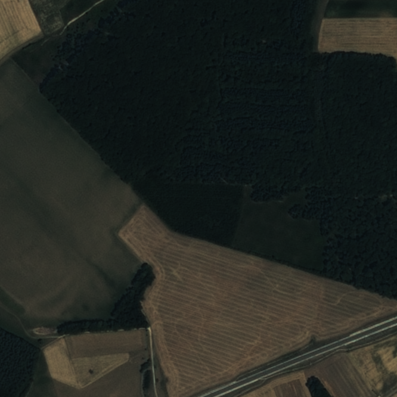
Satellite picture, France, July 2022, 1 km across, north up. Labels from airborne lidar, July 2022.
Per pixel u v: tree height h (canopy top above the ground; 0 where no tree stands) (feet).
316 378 51
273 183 80
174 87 97
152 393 0
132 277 0
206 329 0
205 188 18
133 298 54
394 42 0
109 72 106
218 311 0
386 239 86
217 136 95
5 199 0
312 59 21
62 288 0
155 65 94
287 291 0
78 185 0
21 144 0
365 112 78
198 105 67
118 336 0
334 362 0
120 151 84
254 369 0
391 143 78
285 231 0
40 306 0
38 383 0
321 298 0
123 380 0
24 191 0
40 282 0
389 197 72
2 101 0
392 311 0
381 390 0
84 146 0
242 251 24
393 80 81
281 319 0
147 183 21
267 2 88
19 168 0
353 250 83
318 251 0
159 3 59
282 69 52
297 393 0
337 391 0
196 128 51
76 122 85
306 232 0
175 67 81
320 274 26
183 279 0
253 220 0
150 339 0
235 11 84
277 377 0
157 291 0
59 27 0
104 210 0
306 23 73
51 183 0
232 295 0
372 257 89
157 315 0
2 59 0
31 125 0
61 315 0
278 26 94
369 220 81
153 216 0
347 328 0
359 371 0
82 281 0
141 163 98
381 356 0
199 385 0
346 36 0
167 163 102
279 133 84
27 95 0
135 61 98
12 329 0
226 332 0
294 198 0
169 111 91
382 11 0
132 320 81
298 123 55
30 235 0
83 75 91
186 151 79
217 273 0
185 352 0
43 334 0
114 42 103
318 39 0
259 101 61
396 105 64
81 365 0
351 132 73
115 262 0
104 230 0
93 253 0
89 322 61
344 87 80
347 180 82
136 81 98
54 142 0
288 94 68
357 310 0
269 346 0
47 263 0
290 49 80
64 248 0
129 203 0
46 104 0
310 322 0
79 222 0
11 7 0
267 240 0
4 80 0
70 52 72
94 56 97
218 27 93
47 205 0
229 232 19
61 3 0
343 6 0
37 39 0
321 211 61
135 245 0
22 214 0
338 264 72
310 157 92
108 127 83
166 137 111
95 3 0
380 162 66
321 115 36
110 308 0
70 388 0
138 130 105
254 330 0
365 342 0
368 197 74
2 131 0
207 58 110
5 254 0
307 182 64
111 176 0
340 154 59
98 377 0
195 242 0
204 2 102
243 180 68
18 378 103
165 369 0
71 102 101
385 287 88
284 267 0
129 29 94
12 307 0
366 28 0
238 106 66
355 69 79
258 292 0
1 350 102
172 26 98
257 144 74
